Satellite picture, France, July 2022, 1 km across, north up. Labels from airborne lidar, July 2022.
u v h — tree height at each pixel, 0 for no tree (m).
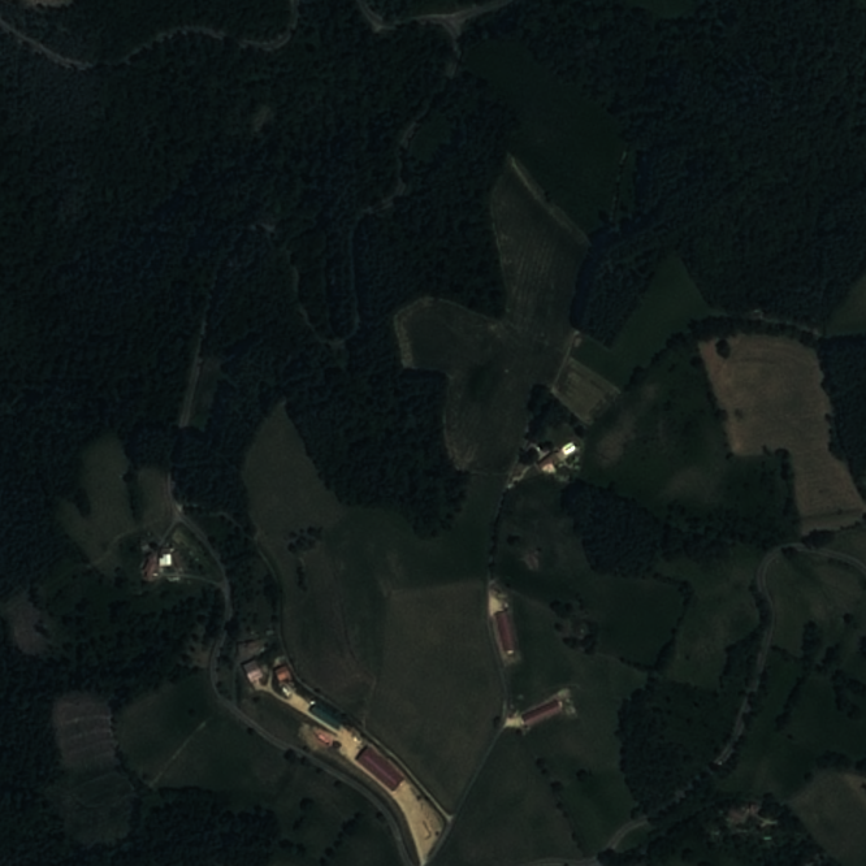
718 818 7
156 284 28
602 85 27
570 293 0
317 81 14
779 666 0
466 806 0
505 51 0
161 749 0
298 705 0
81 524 0
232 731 0
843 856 0
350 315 31
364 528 0
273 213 20
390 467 29
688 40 10
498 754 0
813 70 20
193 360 11
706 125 21
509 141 20
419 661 0
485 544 0
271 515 0
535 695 0
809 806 0
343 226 32
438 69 9
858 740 0
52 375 10
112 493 0
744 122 27
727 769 16
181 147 7
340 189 32
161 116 27
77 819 0
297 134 22
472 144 23
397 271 33
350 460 24
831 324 10
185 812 23
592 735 0
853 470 11
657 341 0
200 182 27
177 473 16
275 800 0
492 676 0
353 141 21
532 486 0
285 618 0
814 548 10
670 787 13
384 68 23
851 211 35
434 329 0
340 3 24
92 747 0
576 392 0
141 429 29
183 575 0
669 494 0
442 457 13
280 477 0
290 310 21
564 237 0
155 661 20
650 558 30
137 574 0
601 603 0
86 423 21
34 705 19
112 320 21
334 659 0
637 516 33
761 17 10
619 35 22
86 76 23
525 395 0
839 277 34
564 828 0
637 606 0
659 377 0
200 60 23
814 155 12
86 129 19
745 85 30
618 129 0
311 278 27
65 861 22
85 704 0
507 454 0
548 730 0
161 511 0
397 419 6
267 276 17
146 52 14
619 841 0
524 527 0
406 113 7
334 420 32
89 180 15
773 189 13
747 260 15
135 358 16
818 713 0
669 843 17
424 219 21
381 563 0
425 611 0
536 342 0
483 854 0
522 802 0
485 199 7
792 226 20
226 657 8
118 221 22
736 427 0
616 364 0
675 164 35
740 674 16
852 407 21
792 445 0
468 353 0
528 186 0
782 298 34
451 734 0
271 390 26
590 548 23
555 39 16
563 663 0
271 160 25
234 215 7
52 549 31
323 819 0
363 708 0
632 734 14
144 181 17
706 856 0
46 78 21
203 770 0
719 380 0
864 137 23
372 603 0
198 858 18
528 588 0
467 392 0
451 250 10
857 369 37
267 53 11
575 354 0
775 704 0
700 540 20
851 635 0
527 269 0
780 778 0
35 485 22
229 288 18
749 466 0
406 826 0
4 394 23
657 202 26
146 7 14
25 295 22
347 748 0
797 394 0
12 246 22
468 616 0
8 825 21
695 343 6
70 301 25
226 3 13
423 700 0
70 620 15
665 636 0
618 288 36
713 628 0
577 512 25
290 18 12
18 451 22
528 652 0
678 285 0
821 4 18
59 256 15
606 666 0
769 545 14
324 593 0
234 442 28
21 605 0
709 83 25
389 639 0
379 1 17
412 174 25
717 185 32
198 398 0
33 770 25
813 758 0
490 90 27
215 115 23
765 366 0
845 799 0
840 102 21
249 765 0
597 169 0
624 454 0
